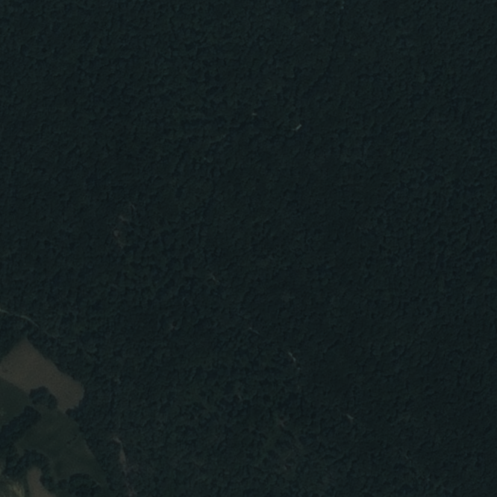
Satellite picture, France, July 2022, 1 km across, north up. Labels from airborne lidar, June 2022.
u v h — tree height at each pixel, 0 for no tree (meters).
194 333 30
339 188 27
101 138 27
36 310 26
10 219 24
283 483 27
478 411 29
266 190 26
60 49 25
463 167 22
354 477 32
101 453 25
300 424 30
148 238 24
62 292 32
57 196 27
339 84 29
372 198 28
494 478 28
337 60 26
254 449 31
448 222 30
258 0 31
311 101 30
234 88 28
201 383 28
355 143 26
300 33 27
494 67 27
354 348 25
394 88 27
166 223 22
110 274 25
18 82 28
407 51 23
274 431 29
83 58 25
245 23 30
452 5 27
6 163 27
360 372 29
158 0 25
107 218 29
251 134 20
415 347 29
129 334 30
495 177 24
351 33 31
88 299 9
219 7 29
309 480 27
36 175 29
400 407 25
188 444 22
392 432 25
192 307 28
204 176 27
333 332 28
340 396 29
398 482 26
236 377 29
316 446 27
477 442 28
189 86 27
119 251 27
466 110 17
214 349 29
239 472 27
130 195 26
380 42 23
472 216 33
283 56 23
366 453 26
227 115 28
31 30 22
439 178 32
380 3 28
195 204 25
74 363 27
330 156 33
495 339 22
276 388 27
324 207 24
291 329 28
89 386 26
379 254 24
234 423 29
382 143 28
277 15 26
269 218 22
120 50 24
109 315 15
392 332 28
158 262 27
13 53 25
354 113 24
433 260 30
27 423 17
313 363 26
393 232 32
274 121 23
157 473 29
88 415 25
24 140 28
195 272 29
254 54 27
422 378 26
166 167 28
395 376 27
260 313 23
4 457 8
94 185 31
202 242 23
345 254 29
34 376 0
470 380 27
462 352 25
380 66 26
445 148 28
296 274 33
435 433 25
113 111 28
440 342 29
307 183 23
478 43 26
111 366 31
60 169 24
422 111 28
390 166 30
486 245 30
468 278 27
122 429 25
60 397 0
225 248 27
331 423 22
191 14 27
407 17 27
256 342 21
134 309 30
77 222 30
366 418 22
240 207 29
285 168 28
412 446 21
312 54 27
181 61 28
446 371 26
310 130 32
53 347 26
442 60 27
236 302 26
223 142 23
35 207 26
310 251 30
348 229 30
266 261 32
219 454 29
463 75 34
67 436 0
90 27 26
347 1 19
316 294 27
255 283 26
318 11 31
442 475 23
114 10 25
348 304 26
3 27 26
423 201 27
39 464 24
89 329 10
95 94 6
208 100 27
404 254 26
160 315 29
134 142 19
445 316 25
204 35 28
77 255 30
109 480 15
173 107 28
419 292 20
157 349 35
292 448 29
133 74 26
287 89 26
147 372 29
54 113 26
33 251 29
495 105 26
